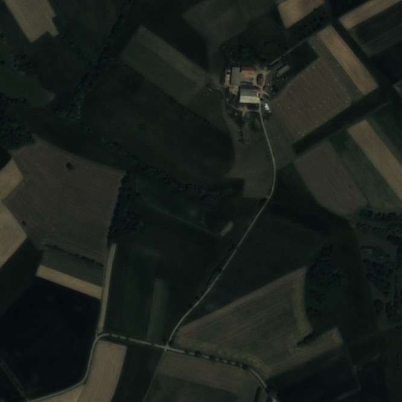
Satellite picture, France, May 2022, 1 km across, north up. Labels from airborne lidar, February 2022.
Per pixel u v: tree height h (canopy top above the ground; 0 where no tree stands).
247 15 0
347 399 0
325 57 0
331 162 0
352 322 0
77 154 0
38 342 0
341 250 0
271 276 0
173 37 0
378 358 0
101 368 0
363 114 0
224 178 0
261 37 0
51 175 0
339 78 0
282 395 0
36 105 0
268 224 0
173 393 0
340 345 0
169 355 0
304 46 0
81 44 0
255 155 0
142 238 0
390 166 0
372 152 0
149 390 0
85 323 0
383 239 0
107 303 0
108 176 0
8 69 0
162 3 0
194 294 0
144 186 0
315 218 0
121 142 0
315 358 0
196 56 0
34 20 0
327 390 0
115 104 0
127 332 0
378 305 14
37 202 0
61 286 0
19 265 0
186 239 0
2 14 0
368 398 0
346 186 0
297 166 0
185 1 0
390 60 0
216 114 0
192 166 0
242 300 0
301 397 0
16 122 13
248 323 0
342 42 0
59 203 0
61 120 0
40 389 0
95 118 0
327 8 0
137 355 0
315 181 0
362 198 0
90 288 0
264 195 0
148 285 0
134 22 0
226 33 0
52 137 0
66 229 0
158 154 0
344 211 0
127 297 0
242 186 0
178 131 0
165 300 0
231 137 0
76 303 0
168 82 0
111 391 0
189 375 0
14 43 0
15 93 0
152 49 0
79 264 0
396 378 0
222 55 0
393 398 0
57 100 0
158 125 0
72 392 0
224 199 0
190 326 0
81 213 0
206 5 0
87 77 13
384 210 0
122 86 0
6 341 0
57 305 0
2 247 0
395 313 6
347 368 0
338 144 0
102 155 0
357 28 0
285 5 0
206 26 0
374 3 0
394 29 0
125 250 0
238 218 0
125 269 0
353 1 0
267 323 0
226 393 0
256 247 0
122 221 10
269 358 0
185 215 0
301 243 0
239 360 0
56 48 0
